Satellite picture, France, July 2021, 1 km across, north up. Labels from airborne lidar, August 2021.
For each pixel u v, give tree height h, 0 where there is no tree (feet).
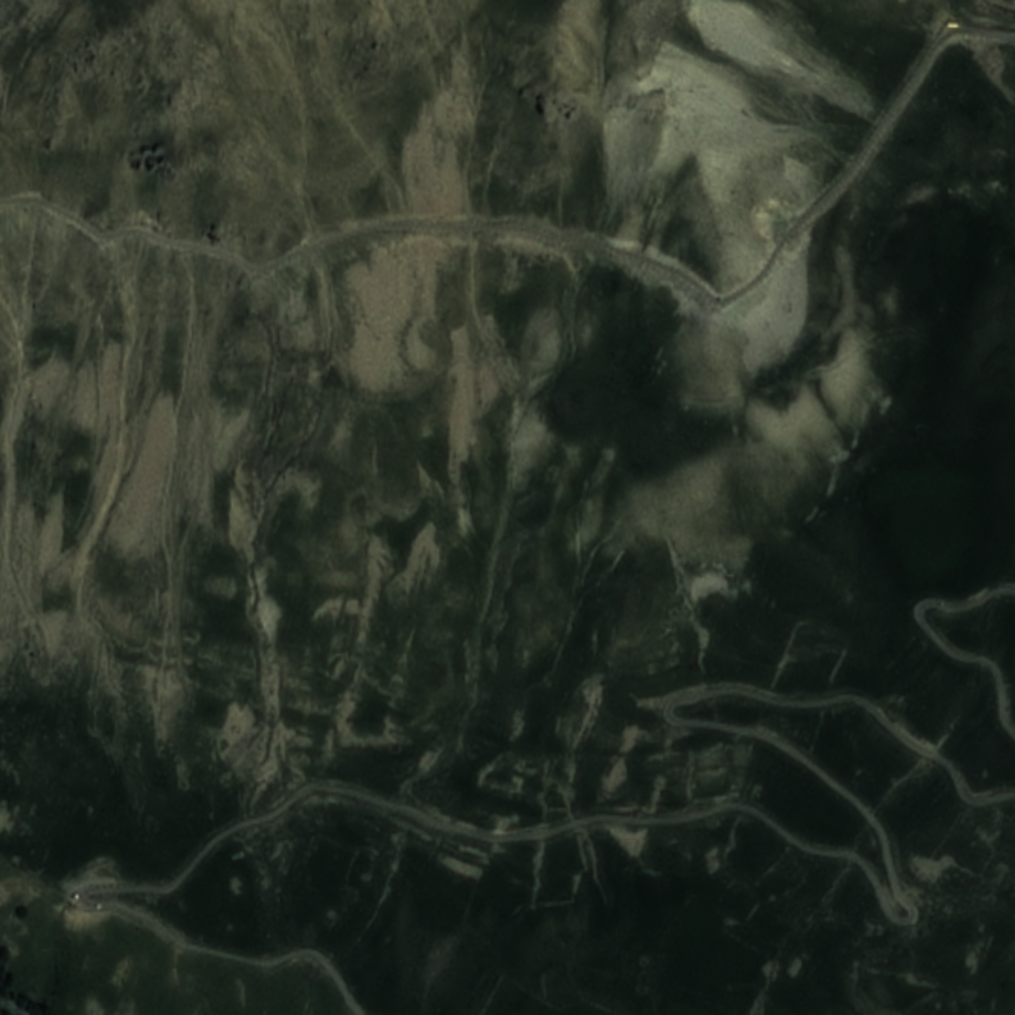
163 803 0
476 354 0
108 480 0
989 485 0
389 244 0
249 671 0
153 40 0
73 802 0
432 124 0
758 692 0
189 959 0
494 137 0
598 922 0
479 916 0
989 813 0
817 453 0
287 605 0
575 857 0
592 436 0
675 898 0
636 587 0
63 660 0
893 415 0
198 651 0
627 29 0
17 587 0
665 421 0
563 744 0
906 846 0
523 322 0
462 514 0
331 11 0
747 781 0
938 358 0
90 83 0
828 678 0
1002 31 0
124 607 0
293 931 0
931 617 0
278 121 0
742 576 0
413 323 0
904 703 0
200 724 0
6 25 0
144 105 0
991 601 0
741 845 0
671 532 0
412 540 0
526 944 0
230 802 0
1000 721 0
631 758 0
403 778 0
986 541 0
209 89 0
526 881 0
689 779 0
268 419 0
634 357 0
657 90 0
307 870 0
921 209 0
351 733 0
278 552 0
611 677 0
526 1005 0
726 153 0
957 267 0
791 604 0
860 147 0
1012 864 0
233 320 0
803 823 0
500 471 0
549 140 0
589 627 0
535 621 0
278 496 0
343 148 0
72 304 0
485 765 0
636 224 0
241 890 0
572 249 0
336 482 0
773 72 0
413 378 0
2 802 0
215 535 0
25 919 34
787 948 0
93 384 0
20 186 0
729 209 0
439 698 0
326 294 0
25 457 0
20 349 0
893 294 0
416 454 0
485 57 0
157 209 0
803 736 0
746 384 0
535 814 0
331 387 0
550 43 0
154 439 0
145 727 0
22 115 0
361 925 0
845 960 0
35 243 0
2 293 0
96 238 0
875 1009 0
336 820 0
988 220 0
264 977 0
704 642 0
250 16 0
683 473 0
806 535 0
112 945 0
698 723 0
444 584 0
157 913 0
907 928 0
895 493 0
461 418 0
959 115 0
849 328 0
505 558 0
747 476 0
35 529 0
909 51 0
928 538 0
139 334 0
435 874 0
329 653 0
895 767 0
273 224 0
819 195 0
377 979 0
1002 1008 0
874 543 0
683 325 0
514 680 0
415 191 0
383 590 0
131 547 0
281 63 0
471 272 0
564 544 0
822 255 0
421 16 0
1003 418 0
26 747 0
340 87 0
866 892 0
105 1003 0
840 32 0
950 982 0
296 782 0
